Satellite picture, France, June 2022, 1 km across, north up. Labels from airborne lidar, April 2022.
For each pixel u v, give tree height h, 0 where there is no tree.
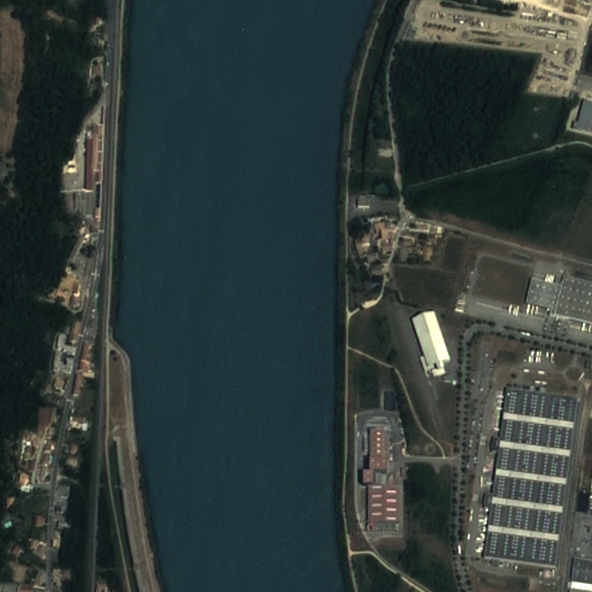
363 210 0
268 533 0
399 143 14
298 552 0
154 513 0
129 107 0
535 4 0
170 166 0
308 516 0
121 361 0
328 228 0
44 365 18
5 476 14
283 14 0
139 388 0
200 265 0
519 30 0
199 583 0
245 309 0
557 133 9
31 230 24
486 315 0
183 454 0
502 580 0
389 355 7
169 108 0
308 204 0
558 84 0
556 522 0
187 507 0
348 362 0
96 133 0
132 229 0
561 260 0
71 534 12
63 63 9
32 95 16
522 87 8
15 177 8
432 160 22
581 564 0
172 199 0
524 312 0
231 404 0
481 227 0
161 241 0
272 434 0
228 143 0
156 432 0
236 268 0
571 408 0
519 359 0
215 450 0
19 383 23
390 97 11
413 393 0
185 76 0
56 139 24
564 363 0
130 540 0
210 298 0
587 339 0
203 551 0
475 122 20
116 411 0
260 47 0
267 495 0
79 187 0
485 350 0
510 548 0
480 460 0
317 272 0
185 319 0
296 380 0
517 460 0
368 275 9
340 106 0
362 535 0
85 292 0
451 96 24
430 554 0
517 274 0
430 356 0
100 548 10
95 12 10
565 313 0
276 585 0
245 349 0
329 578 0
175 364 0
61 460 8
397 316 0
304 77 0
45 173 18
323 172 0
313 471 0
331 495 0
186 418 0
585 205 0
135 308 0
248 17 0
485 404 0
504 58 8
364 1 0
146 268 0
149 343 0
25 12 15
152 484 0
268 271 0
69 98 10
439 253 0
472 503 0
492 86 17
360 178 0
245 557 0
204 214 0
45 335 18
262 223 0
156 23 0
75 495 17
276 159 0
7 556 14
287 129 0
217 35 0
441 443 0
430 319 0
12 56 0
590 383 0
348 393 0
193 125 0
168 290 0
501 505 0
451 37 0
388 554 0
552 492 0
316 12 0
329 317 0
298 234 0
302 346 0
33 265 19
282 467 0
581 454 0
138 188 0
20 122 7
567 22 0
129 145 0
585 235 0
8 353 17
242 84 0
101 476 8
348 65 0
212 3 0
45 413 0
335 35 0
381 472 0
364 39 6
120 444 0
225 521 0
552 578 0
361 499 0
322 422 0
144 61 0
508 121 7
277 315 0
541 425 0
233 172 0
